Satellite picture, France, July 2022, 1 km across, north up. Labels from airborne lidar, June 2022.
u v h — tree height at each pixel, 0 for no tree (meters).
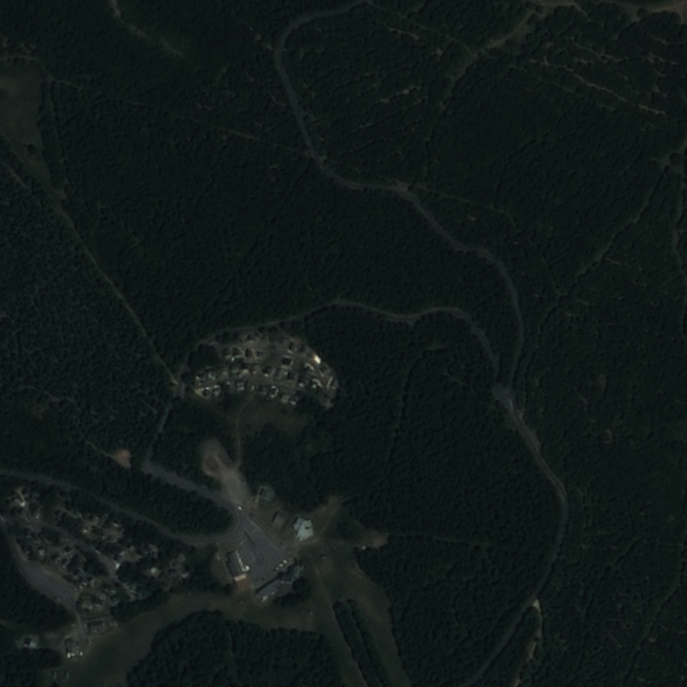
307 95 11
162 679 24
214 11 11
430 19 10
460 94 12
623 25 12
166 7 13
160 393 12
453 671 16
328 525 0
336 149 11
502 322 15
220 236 17
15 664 14
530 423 8
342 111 11
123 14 8
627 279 12
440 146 9
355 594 0
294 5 11
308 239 13
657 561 11
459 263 15
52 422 8
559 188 11
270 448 9
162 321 13
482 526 18
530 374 10
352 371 14
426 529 17
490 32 9
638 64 12
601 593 11
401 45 6
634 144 10
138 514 13
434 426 18
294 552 0
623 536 14
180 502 12
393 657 0
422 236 13
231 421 0
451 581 15
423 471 17
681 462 8
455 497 15
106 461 14
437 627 17
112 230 13
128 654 0
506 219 10
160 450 20
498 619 12
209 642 17
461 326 16
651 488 7
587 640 8
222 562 0
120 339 15
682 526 11
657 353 9
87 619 0
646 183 12
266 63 11
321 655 18
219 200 15
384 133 11
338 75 10
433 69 11
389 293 15
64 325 14
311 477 11
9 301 18
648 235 9
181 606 0
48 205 15
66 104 15
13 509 6
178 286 15
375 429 16
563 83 11
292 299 12
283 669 10
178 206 13
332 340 18
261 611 0
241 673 9
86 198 15
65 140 15
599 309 9
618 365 13
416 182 10
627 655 10
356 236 15
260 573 0
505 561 17
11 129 0
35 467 14
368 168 11
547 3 0
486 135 11
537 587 11
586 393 9
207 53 11
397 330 19
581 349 10
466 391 15
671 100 10
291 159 12
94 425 17
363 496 14
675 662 10
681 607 7
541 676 11
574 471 11
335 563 0
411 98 11
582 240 9
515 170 12
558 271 11
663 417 10
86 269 11
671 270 8
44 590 0
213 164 11
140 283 16
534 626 12
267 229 15
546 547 15
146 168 11
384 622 0
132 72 13
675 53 12
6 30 10
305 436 12
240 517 0
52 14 13
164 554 15
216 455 0
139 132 13
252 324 13
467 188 11
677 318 11
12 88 0
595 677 9
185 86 9
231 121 11
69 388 18
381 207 11
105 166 15
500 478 15
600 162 12
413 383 15
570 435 12
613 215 11
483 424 14
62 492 10
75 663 0
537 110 9
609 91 9
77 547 9
